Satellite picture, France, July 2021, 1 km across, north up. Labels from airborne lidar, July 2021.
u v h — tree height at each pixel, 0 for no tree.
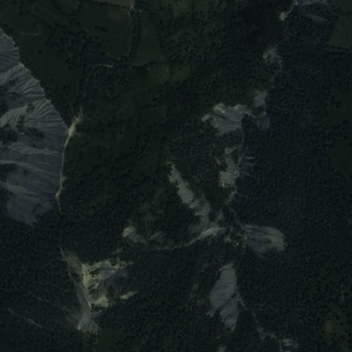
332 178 12
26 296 7
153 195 8
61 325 7
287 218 9
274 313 10
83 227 16
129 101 0
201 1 0
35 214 0
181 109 10
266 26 22
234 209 10
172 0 0
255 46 25
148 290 12
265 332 10
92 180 13
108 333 0
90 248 17
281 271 13
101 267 0
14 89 0
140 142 12
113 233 12
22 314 14
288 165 10
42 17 0
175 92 12
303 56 20
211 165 13
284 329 14
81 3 12
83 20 0
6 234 17
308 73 12
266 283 10
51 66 0
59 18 0
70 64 17
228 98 12
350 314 19
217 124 0
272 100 14
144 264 14
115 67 10
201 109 9
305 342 20
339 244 20
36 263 23
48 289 21
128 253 8
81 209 10
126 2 0
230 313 0
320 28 11
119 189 9
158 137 13
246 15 24
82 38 16
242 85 10
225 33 15
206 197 7
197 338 21
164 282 7
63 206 10
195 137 9
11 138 8
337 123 0
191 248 10
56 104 13
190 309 9
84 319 0
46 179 0
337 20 11
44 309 18
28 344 26
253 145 17
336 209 13
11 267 14
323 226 14
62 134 0
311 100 15
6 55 0
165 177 12
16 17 0
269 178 10
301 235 19
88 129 7
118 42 0
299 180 11
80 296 0
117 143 11
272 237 0
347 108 0
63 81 0
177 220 17
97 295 0
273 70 14
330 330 0
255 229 0
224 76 9
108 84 14
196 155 6
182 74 0
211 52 11
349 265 20
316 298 8
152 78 0
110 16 0
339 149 0
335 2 0
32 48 0
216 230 0
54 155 0
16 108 0
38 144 0
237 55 14
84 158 12
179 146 10
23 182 0
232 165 0
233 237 7
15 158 0
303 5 0
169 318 21
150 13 11
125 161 13
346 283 17
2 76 0
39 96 0
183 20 12
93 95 16
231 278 0
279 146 15
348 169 0
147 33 0
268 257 7
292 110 8
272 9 24
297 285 9
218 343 12
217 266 12
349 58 15
